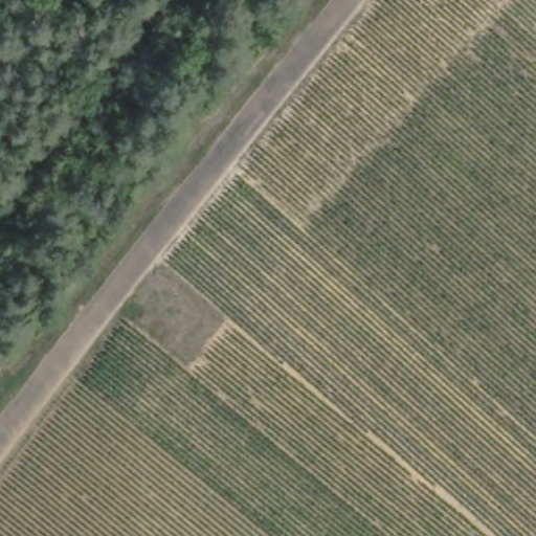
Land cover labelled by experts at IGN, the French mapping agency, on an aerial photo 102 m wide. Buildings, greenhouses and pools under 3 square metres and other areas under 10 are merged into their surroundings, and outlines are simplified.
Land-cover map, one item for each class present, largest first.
<instances>
[{"label":"vineyard","instance_id":"1","mask_svg":"<svg viewBox=\"0 0 536 536\"><path fill-rule=\"evenodd\" d=\"M140 285L130 297V302L119 310V314L113 318L105 335L90 348V352L84 356L73 375L65 381L61 392L48 402V406L36 419L31 429L23 436V440L17 444L10 456L0 465V536H536V0H358L354 4L350 19L318 50V54L306 65L297 80L289 84V90L281 98V105L274 111H270V115L258 126V130L237 149L228 165L218 174L209 188H205L201 197L191 205V209L176 226V230L165 237L161 249L140 272Z\"/></svg>","mask_w":536,"mask_h":536},{"label":"coniferous trees","instance_id":"2","mask_svg":"<svg viewBox=\"0 0 536 536\"><path fill-rule=\"evenodd\" d=\"M34 0H0V331H10L15 325H23L31 316H36L40 322L50 320L54 291L65 289L88 262H96L98 258L92 241H84L80 220L90 218V222H105L111 228L117 224L124 211L130 209L128 203L121 197L109 195L101 188H92L86 182L77 193H73L71 203L63 205L57 214L52 201L44 203L36 211H27L31 197L44 186V176L52 174L57 161L65 155V147L59 144V138L69 132V128L77 126L82 117L69 111L65 96L77 90L75 80L82 73L88 80H94L96 73L107 69V94L101 98L94 117L98 119V126L107 132V144L115 142L119 149V157L128 163V170H136V188L144 186L147 182H153L157 174H165L176 165L184 163L191 149V140L199 132L201 117L197 113V107L186 98L191 94H214L218 82L224 80L226 73L241 71L247 65L249 50L251 42L260 40L266 29L272 34L274 42L281 44V40H285L289 44L297 31H304L308 23H312L318 17L327 0H184V6L191 10L193 17H203L207 21V27H201L199 36L207 40L205 44L209 59L199 73L178 75V65L186 59L191 40L184 36L172 38L159 31L163 19L157 13V4L153 0H59V13H34ZM13 343L0 339V371L4 375L15 373L23 366V360L15 362L8 356Z\"/></svg>","mask_w":536,"mask_h":536},{"label":"impervious surface","instance_id":"3","mask_svg":"<svg viewBox=\"0 0 536 536\"><path fill-rule=\"evenodd\" d=\"M358 0H327L318 17L312 23H308L304 31H297L289 44L285 40H281V46L285 50V59L276 63L268 77L251 92L243 109L235 115L230 126L218 136V140L199 161L195 172L170 197L163 199V209L138 237L132 249L121 258V262L107 276L105 285L94 293V297L77 308L75 316L69 320L67 329L61 333L54 345L42 356L40 364L34 369L27 381L10 396V400L0 410V465L10 456L17 444L23 440V436L31 429L36 419L48 406V402L61 392L65 381L73 375L84 356L90 352V348L105 335L113 318L119 314V310L130 302V297L140 285V272L161 249L165 237L176 230V226L191 209V205L201 197L205 188H209L218 174L228 165L237 149L258 130V126L270 115V111H274L281 105V98L289 90V84L297 80L306 65L318 54V50L350 19L354 4Z\"/></svg>","mask_w":536,"mask_h":536},{"label":"herbaceous vegetation","instance_id":"4","mask_svg":"<svg viewBox=\"0 0 536 536\"><path fill-rule=\"evenodd\" d=\"M285 59V50L281 46L276 50L264 46L249 50L247 65L241 71L226 73L224 80L218 82L214 94L218 96L216 107H211L209 113L201 117L199 132L191 140V149L184 163L176 165L165 174H157L153 182H147L144 186L136 188L132 195V203H128L130 209L124 211L117 224L111 228L115 245L103 258H98L96 262H88L65 289L54 291L50 320L40 322L36 316H31L23 325H15L10 331H0V339L13 343L8 356L15 362L23 360V366L15 373L4 375L0 371V410L10 400V396L27 381L34 369L40 364L42 356L54 345L61 333L67 329L69 320L75 316L77 308L94 297V293L105 285L107 276L121 262V258L132 249L138 237L163 209V199L170 197L195 172L199 161L218 140V136L230 126L235 115L243 109L251 92L268 77L276 63Z\"/></svg>","mask_w":536,"mask_h":536},{"label":"deciduous trees","instance_id":"5","mask_svg":"<svg viewBox=\"0 0 536 536\"><path fill-rule=\"evenodd\" d=\"M34 13H59V0H34ZM157 4V13L163 19L159 31L172 38L184 36L191 40L186 59L178 65V75L199 73L209 59L205 44L207 40L199 36L201 27H207V21L203 17H193L191 10L184 6V0H153ZM264 46L276 50L281 46V44L274 42L272 34L266 29L260 40L251 42L249 50ZM77 90L65 96L69 111L82 117L77 126L69 128V132L59 138V144L65 147V155L57 161L52 174L44 176V186L31 197L27 211H36L44 203L52 201L57 214L63 205L71 203L73 193H77L86 182L92 188H101L109 195L121 197L128 203H132V195L136 188V170H128V163L119 157V149L115 142L107 144V132L98 126V119L94 117L101 98L107 94V69L96 73L94 80H88L82 73L75 80ZM197 107V113L201 117L209 113L211 107H216L218 96L214 94H191L186 98ZM84 241H92L98 258H103L115 245L111 228L105 222H90V218L80 220Z\"/></svg>","mask_w":536,"mask_h":536}]
</instances>
